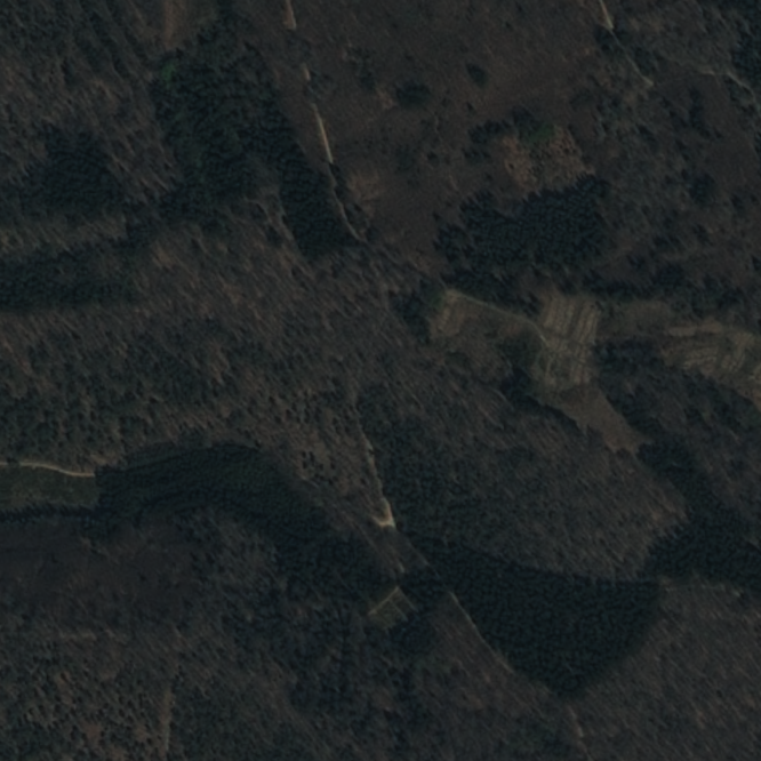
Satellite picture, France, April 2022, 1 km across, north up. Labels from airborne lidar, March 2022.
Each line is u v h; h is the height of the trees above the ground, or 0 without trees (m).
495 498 20
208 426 23
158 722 26
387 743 29
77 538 11
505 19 20
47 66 24
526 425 25
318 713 24
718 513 23
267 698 25
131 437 24
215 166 20
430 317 23
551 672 23
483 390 23
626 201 24
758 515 27
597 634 29
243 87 21
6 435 24
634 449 0
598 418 0
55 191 24
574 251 31
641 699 21
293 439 22
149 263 27
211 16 0
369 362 25
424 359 25
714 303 25
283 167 25
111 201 24
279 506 19
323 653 24
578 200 29
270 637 31
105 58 19
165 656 26
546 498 20
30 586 10
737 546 26
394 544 25
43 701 23
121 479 26
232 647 24
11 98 25
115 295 27
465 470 23
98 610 10
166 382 27
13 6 12
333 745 22
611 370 26
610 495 25
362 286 26
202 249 23
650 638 26
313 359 22
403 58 14
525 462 20
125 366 20
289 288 25
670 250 24
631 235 26
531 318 24
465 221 15
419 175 8
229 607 26
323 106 26
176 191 24
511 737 27
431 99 28
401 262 32
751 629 24
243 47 18
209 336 23
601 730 25
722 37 23
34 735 26
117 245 20
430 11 17
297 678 22
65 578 10
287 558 27
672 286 25
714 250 22
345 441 25
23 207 15
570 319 0
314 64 31
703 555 28
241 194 24
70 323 28
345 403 24
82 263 32
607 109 22
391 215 8
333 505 27
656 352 18
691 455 27
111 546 9
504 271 29
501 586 27
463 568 30
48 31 23
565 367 0
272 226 23
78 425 22
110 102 27
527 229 26
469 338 7
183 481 24
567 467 21
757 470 32
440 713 26
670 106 13
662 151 17
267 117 21
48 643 24
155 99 23
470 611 29
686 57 22
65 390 23
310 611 9
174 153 23
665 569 24
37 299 30
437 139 8
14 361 24
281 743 19
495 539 18
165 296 25
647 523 23
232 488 18
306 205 24
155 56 23
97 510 0
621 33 19
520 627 27
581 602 29
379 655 29
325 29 13
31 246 24
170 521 8
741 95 20
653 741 24
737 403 19
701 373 0
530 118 15
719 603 25
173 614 8
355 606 27
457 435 26
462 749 27
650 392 28
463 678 25
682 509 26
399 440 17
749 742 24
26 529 17
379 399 23
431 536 20
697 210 19
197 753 22
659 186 21
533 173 9
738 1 23
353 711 27
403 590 12
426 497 13
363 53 11
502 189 11
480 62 17
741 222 17
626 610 30
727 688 24
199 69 13
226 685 25
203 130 24
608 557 22
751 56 21
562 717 27
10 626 25
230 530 28
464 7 16
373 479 22
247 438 22
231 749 28
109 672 27
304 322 21
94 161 27
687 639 24
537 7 20
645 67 20
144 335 26
